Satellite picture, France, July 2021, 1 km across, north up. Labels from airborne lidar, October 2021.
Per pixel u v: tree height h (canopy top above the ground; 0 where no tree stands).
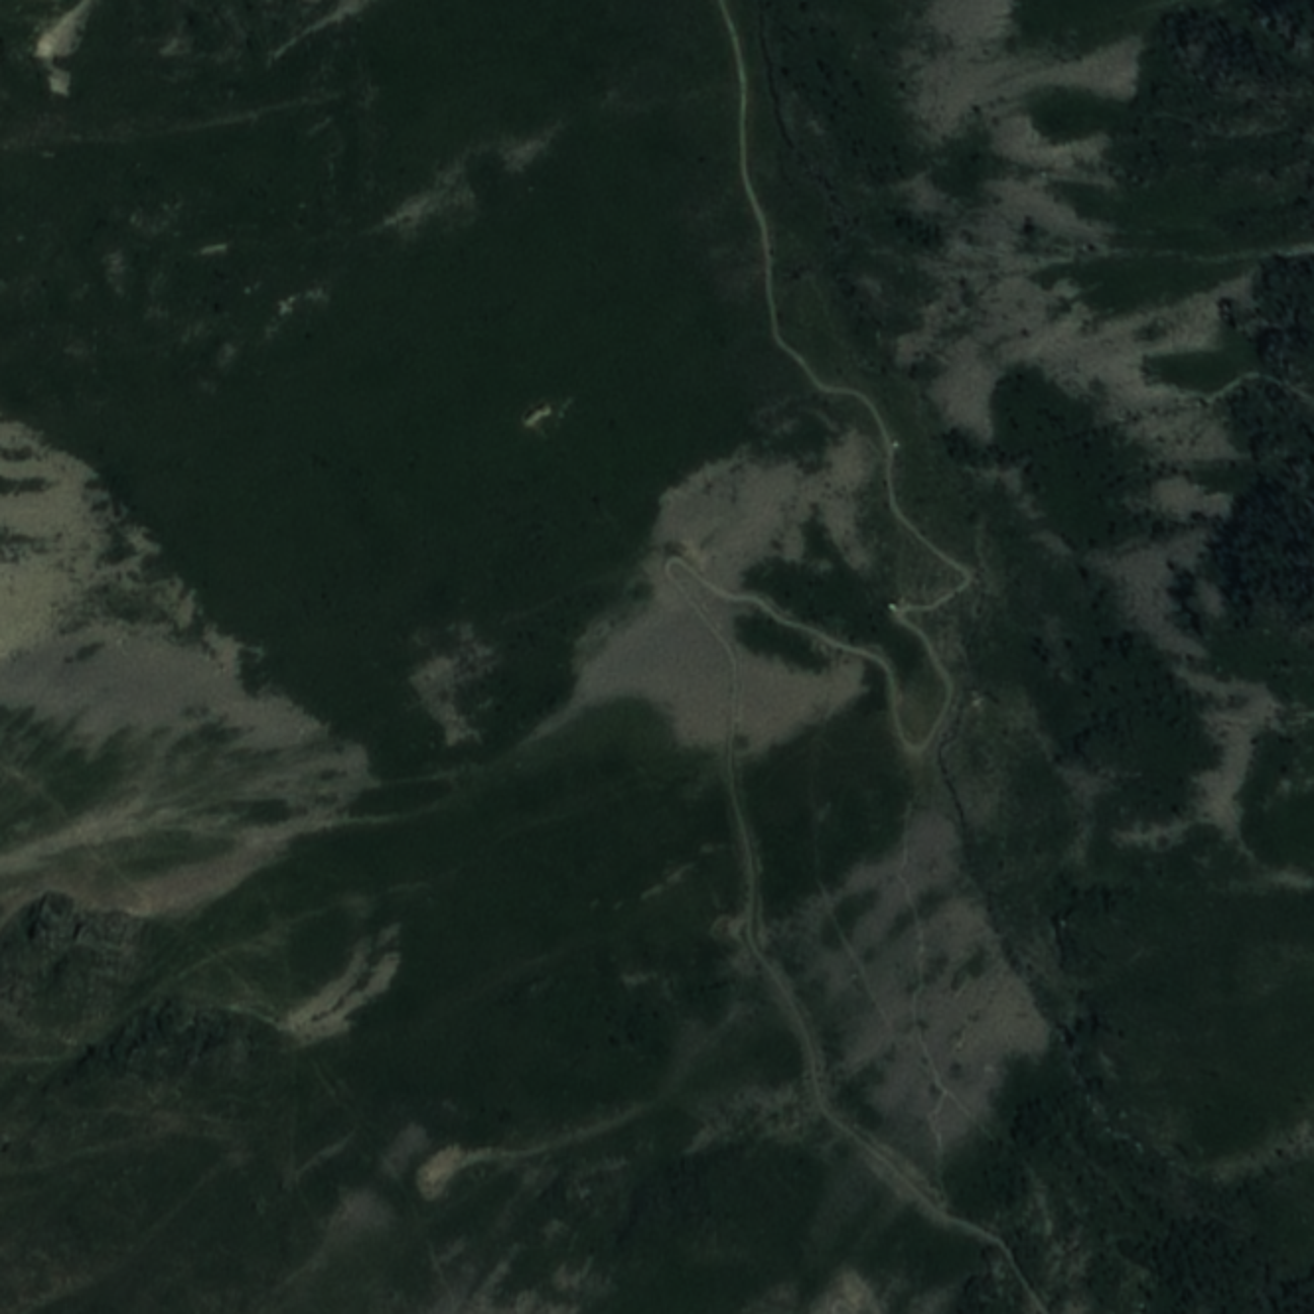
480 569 0
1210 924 0
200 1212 0
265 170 0
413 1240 0
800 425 0
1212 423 0
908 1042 0
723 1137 0
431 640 0
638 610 0
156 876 0
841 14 0
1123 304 0
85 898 0
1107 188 0
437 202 0
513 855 0
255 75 0
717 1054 0
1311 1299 9
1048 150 0
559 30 0
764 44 0
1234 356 0
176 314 0
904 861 0
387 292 0
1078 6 0
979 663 0
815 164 0
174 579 0
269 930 0
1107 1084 11
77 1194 0
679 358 0
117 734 0
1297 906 0
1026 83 0
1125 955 0
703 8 0
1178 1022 0
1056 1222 0
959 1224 0
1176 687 11
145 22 0
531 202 0
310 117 0
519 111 0
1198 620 10
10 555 0
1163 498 0
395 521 0
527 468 0
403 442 0
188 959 0
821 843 0
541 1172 0
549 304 0
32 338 0
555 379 0
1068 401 0
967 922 0
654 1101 0
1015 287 0
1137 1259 9
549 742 0
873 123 0
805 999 0
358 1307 0
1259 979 0
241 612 0
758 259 0
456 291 0
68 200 0
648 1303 0
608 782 0
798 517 0
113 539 0
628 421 0
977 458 9
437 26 0
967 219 0
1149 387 0
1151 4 0
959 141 0
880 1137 0
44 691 0
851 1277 0
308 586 0
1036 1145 9
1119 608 0
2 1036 0
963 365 0
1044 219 0
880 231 0
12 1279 0
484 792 0
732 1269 0
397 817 0
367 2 0
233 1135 0
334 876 0
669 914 0
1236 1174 0
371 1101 0
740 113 0
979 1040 0
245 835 0
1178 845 0
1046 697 0
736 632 0
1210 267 0
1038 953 0
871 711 0
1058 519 0
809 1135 0
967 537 0
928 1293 0
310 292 0
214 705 0
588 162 0
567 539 0
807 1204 0
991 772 0
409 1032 0
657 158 0
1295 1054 0
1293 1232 0
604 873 0
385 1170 0
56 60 8
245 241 0
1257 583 8
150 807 0
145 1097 0
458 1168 0
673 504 0
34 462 0
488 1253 0
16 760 0
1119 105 0
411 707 0
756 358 0
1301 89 0
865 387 0
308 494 0
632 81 0
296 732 0
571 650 0
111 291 0
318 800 0
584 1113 0
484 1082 0
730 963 0
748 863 0
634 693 0
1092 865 0
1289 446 7
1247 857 0
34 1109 0
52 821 0
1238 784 0
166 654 0
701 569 0
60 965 7
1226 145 0
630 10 0
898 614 0
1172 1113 0
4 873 0
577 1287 0
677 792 0
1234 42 9
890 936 0
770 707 0
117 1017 0
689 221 0
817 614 7
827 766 0
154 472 0
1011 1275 10
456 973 0
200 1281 0
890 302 0
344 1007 0
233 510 0
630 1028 8
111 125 0
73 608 0
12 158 0
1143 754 0
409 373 0
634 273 0
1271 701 0
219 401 0
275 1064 0
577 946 0
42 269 0
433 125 0
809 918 0
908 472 0
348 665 0
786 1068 0
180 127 0
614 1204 0
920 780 0
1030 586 0
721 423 0
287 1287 0
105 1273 0
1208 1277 8
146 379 0
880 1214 0
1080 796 0
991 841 0
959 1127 0
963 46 0
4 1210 0
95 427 0
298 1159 0
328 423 0
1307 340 7
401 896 0
